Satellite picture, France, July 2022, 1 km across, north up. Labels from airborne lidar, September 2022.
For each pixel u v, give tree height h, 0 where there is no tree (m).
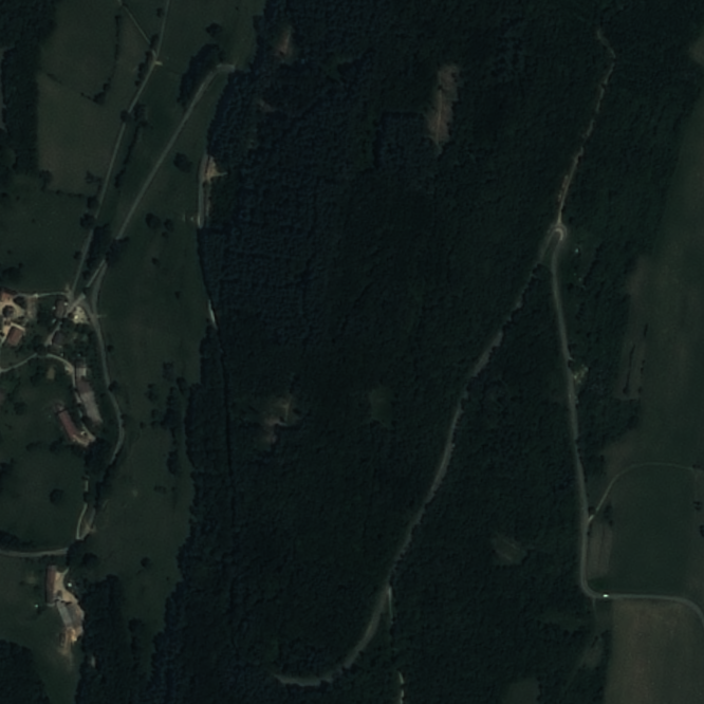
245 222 28
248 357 18
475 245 8
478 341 11
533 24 13
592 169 14
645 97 13
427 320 19
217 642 28
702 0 12
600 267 17
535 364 12
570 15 10
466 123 18
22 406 12
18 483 0
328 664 33
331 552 26
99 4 0
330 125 39
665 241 0
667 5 14
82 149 0
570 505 11
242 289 33
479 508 13
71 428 0
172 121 0
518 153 14
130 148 8
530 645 15
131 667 15
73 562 18
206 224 6
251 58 0
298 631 24
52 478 0
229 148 31
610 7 13
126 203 0
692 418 0
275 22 27
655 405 0
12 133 16
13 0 16
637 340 0
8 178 20
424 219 12
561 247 0
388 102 11
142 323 0
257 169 38
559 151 20
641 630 0
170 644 25
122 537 0
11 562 0
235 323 21
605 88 11
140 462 0
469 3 21
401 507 13
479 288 9
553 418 13
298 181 28
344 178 21
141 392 0
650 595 0
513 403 17
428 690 13
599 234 9
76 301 0
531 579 7
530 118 13
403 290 17
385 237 17
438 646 12
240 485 21
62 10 0
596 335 8
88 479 7
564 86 12
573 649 11
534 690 0
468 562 14
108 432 8
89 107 0
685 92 9
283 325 33
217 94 0
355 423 10
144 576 0
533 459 12
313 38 25
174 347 0
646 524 0
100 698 24
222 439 26
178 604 21
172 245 0
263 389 17
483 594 18
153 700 29
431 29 16
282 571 25
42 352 21
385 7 35
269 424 0
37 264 0
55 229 0
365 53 21
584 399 16
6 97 14
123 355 0
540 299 16
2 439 20
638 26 15
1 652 23
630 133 11
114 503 0
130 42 0
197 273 0
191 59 0
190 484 0
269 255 35
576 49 12
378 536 9
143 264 0
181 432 14
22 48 21
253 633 29
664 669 0
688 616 0
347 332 30
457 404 14
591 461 15
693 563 0
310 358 19
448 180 18
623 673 0
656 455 0
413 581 22
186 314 0
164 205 0
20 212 0
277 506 17
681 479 0
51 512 0
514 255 15
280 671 12
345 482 23
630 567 0
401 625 16
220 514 28
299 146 31
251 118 37
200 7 0
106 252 12
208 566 29
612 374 13
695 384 0
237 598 26
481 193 13
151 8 0
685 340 0
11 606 0
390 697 15
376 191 20
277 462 22
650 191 6
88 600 16
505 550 0
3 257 0
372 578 15
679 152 8
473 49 16
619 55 8
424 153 40
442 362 14
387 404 0
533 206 15
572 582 7
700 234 0
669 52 11
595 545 0
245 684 37
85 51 0
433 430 10
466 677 10
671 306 0
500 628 16
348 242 20
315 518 19
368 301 25
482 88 17
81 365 0
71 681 0
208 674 33
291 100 24
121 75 0
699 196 0
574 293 14
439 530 17
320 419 14
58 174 0
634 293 0
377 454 18
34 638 0
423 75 14
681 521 0
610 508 11
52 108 0
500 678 16
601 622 0
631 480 0
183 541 0
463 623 9
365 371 17
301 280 8
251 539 18
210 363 19
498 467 19
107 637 26
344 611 22
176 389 8
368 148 17
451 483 8
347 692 21
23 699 17
